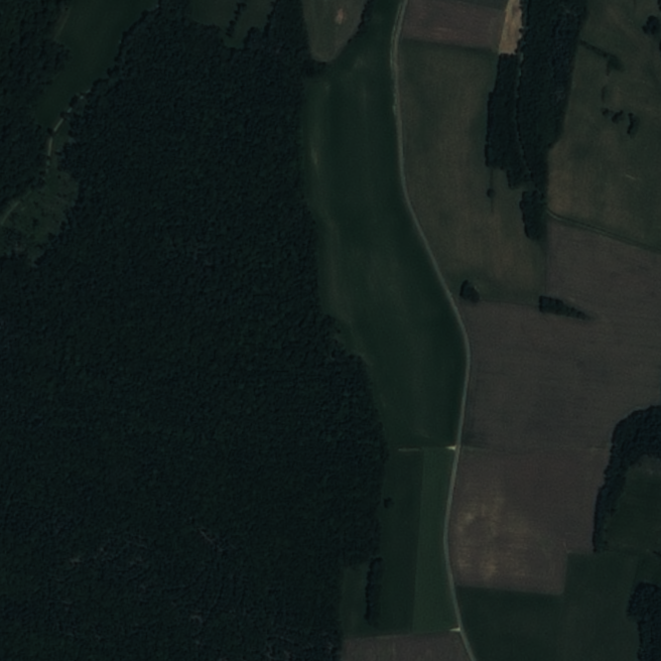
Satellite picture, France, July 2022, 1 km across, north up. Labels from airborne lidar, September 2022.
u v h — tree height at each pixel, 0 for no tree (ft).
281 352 60
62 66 75
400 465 0
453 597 0
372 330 0
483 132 0
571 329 0
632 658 0
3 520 68
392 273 0
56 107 0
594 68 0
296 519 50
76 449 41
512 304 0
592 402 0
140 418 46
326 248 0
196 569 60
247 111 70
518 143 45
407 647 0
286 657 62
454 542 0
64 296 60
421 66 0
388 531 0
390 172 0
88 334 42
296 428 50
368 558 51
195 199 63
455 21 0
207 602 47
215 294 61
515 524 0
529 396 0
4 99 78
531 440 0
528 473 0
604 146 0
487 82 0
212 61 57
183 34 56
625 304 0
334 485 46
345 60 0
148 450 60
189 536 38
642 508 0
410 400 0
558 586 0
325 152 0
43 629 47
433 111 0
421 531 0
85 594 41
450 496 0
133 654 57
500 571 0
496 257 0
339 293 0
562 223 0
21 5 75
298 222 49
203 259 57
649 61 0
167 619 43
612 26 0
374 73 0
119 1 0
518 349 0
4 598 59
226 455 47
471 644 0
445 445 0
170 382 61
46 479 41
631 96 0
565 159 0
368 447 65
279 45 60
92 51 0
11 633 36
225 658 55
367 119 0
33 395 54
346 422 48
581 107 0
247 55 64
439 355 0
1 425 47
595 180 0
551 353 0
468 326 0
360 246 0
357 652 0
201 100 61
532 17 47
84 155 73
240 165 63
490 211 0
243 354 54
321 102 0
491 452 0
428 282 0
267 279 50
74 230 51
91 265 61
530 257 0
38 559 41
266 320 59
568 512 0
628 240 0
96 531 36
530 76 31
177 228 61
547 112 20
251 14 0
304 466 46
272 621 44
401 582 0
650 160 0
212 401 58
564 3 39
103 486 37
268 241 63
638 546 0
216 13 0
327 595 46
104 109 66
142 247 57
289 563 52
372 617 58
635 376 0
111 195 49
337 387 66
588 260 0
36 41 84
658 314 0
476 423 0
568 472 0
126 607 41
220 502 38
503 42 0
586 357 0
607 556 0
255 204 55
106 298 54
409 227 0
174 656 59
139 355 43
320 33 0
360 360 51
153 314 59
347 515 54
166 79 62
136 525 39
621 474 54
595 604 0
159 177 53
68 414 57
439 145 0
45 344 42
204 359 46
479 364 0
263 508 48
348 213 0
